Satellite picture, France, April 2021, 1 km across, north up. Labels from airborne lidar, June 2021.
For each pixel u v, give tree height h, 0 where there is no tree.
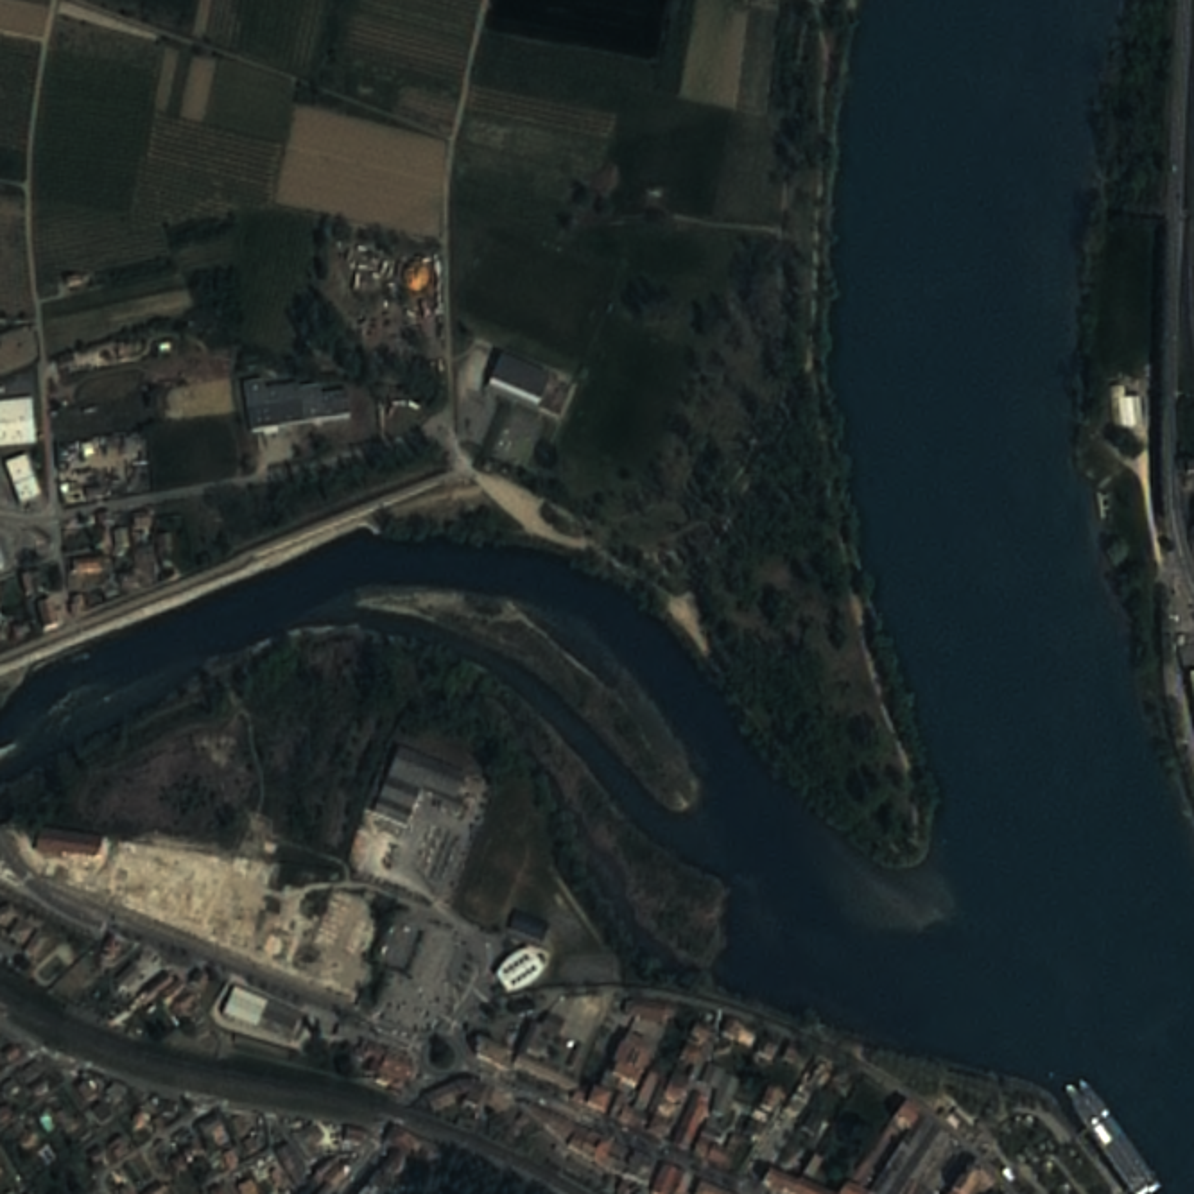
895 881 0
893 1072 17
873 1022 0
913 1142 0
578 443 0
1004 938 0
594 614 0
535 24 0
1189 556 0
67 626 0
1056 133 0
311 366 17
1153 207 12
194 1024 9
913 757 17
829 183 10
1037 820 0
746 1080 14
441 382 24
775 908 0
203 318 9
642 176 0
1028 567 0
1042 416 0
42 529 0
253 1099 0
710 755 0
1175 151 0
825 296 10
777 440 30
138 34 0
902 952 0
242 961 0
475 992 0
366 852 0
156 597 0
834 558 27
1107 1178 0
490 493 0
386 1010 0
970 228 0
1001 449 0
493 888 0
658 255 0
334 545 0
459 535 13
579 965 0
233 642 0
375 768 10
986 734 0
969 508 0
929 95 0
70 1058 0
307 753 16
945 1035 0
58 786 27
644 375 0
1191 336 0
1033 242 0
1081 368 14
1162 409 14
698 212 0
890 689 18
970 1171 0
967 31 0
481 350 0
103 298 0
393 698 28
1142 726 0
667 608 7
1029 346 0
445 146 0
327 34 0
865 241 0
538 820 0
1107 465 0
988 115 0
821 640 0
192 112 0
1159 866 0
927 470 0
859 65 0
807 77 8
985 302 0
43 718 0
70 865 0
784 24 7
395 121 0
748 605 15
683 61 8
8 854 0
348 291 0
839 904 0
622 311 0
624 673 0
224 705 17
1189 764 11
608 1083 0
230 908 0
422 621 0
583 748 0
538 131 0
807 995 0
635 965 11
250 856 0
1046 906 0
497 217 0
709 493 21
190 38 0
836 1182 17
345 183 0
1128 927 0
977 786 0
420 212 0
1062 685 0
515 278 0
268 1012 0
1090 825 0
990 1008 0
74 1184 12
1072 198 0
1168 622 13
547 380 0
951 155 0
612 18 0
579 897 12
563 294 0
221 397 0
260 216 0
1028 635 0
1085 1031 0
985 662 0
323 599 0
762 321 37
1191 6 0
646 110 0
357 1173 0
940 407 0
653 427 0
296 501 13
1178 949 0
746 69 0
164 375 0
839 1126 12
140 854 0
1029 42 0
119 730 8
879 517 0
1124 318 0
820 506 35
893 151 0
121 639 0
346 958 0
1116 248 0
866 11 0
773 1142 0
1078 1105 0
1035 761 0
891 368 0
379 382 11
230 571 0
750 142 0
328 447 17
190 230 6
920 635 0
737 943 0
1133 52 16
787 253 19
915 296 0
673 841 0
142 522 0
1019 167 0
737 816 0
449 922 0
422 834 0
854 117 0
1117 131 14
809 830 0
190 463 0
